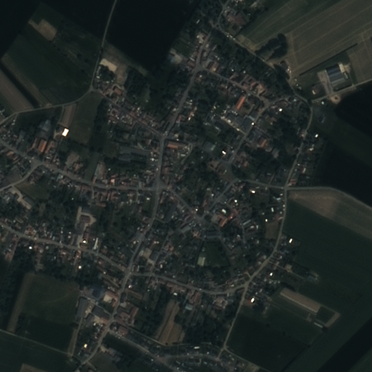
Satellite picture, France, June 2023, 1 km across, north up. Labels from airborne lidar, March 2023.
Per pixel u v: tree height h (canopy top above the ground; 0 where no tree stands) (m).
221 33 15
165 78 0
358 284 0
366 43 0
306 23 0
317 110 0
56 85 0
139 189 0
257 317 0
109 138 0
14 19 0
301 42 0
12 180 0
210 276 0
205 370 0
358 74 0
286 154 8
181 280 0
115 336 0
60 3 0
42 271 8
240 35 0
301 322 0
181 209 0
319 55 0
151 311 11
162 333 0
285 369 7
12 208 8
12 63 0
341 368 0
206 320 15
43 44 0
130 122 0
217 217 0
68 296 0
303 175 7
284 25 0
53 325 0
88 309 0
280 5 0
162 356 0
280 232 0
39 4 0
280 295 0
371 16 0
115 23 0
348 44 0
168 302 24
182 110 8
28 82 0
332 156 0
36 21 0
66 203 11
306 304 0
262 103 6
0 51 0
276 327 0
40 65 0
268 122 0
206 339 10
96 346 0
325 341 0
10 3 0
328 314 0
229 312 9
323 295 0
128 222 0
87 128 0
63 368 0
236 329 0
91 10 0
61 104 0
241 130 0
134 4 0
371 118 0
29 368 0
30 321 0
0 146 0
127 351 0
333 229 0
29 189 0
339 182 0
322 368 0
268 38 0
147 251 0
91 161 0
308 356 0
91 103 0
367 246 0
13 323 0
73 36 0
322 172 0
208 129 0
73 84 0
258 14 9
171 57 0
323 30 0
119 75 0
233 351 0
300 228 0
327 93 0
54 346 0
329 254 0
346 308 0
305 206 0
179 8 0
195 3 0
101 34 0
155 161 0
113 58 0
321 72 0
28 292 0
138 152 0
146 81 6
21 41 0
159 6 0
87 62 6
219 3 10
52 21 0
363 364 0
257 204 0
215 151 0
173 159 0
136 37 0
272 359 0
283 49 16
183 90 0
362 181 0
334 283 0
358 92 0
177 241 0
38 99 0
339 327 0
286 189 0
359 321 0
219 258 0
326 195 0
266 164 5
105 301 0
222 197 0
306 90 0
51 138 8
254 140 0
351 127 0
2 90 0
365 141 0
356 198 0
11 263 0
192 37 16
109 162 10
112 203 7
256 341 0
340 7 0
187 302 11
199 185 0
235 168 11
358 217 0
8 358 0
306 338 0
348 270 0
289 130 13
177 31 0
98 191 0
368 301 0
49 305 0
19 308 0
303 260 0
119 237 0
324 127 0
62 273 0
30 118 0
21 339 0
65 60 0
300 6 0
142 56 0
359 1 0
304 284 0
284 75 16
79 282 12
